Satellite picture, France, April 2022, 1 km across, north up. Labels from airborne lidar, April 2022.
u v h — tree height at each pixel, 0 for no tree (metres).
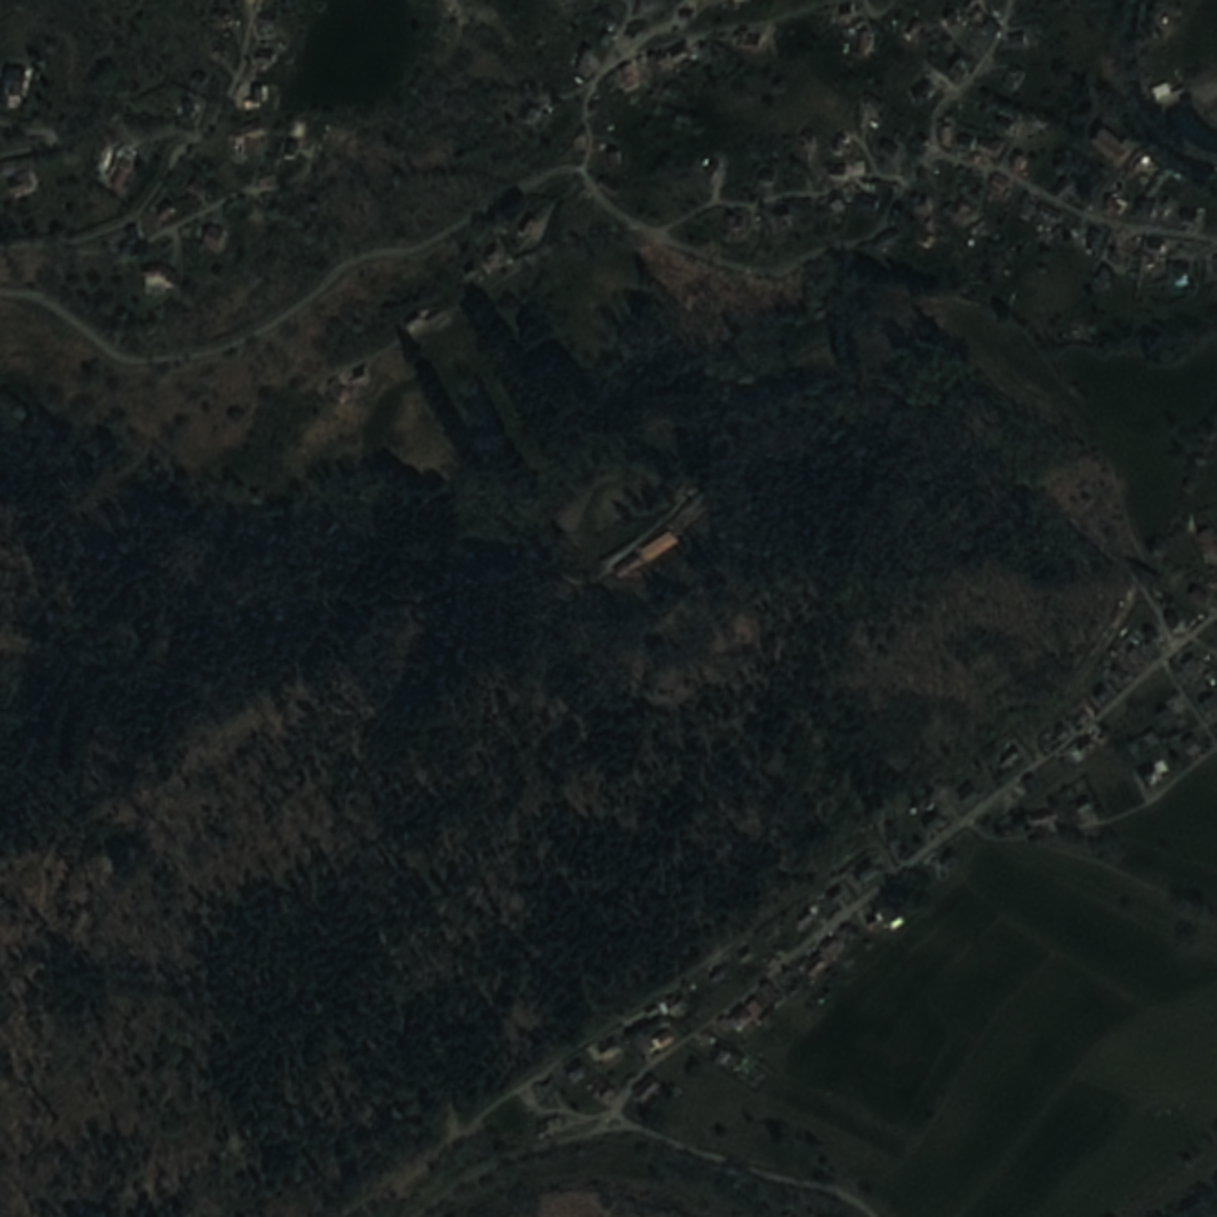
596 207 0
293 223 15
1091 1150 0
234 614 32
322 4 7
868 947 7
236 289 0
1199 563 0
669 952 25
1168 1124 0
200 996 44
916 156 5
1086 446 23
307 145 0
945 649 18
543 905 28
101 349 0
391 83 0
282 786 10
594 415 32
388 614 27
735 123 0
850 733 20
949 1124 0
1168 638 0
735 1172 15
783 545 22
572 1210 0
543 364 26
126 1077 11
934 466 25
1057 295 0
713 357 29
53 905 6
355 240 19
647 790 7
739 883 20
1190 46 0
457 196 16
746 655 21
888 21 6
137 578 31
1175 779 0
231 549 29
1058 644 20
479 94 9
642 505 24
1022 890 0
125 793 22
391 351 0
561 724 30
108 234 0
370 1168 16
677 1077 0
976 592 12
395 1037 31
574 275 0
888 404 20
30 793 9
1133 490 0
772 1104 0
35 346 0
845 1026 0
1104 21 12
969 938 0
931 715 24
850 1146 0
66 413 16
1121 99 24
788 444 27
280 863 9
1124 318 0
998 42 0
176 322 17
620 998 19
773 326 27
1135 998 0
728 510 29
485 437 26
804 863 16
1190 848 0
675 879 21
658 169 11
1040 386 0
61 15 8
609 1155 0
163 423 0
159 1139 9
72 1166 28
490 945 20
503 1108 0
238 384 0
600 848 22
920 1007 0
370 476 27
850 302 23
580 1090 0
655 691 10
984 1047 0
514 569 33
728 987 0
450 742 28
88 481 37
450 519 21
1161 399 0
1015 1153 0
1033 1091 0
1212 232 0
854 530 21
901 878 11
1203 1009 0
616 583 0
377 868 32
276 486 6
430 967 29
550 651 25
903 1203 0
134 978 36
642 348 29
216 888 6
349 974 34
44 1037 31
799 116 0
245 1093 30
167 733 16
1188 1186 0
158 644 28
